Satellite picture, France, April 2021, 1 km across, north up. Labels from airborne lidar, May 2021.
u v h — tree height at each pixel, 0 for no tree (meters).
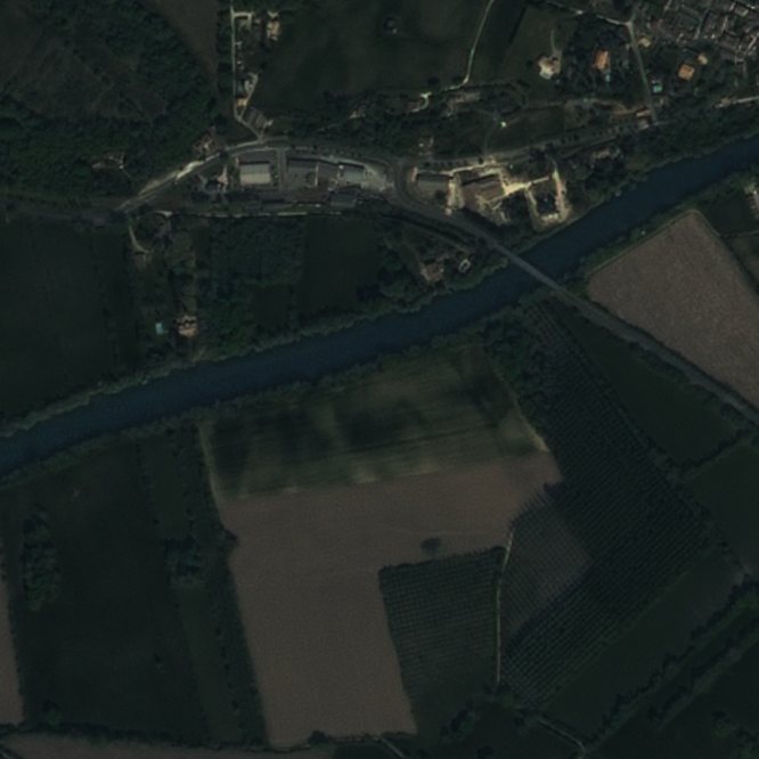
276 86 0
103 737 22
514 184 0
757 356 0
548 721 14
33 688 0
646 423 0
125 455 0
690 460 0
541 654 0
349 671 0
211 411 20
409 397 0
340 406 0
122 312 0
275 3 13
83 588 0
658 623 0
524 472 0
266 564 0
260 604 0
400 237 14
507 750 0
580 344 14
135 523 0
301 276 15
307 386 13
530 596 0
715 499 0
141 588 0
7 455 0
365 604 0
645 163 29
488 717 0
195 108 19
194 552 22
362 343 0
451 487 0
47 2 13
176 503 0
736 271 0
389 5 0
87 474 0
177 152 10
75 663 0
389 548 0
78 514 0
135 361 0
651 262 0
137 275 19
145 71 7
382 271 0
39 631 0
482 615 17
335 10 0
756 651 0
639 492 0
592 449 0
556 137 8
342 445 0
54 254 0
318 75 0
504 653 0
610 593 0
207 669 0
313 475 0
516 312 14
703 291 0
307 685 0
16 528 0
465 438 0
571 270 9
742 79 12
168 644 0
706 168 0
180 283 20
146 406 0
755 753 16
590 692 0
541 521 0
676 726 0
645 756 0
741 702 0
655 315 0
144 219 12
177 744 15
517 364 28
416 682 18
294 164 0
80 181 19
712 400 16
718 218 0
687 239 0
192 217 20
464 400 0
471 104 6
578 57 9
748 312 0
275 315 0
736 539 0
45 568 21
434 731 0
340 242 0
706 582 0
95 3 19
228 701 0
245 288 25
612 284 0
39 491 0
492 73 0
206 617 0
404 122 13
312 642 0
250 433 0
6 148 14
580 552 0
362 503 0
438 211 0
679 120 15
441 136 7
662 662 0
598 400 0
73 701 0
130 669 0
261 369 0
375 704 0
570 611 0
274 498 0
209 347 17
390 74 0
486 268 14
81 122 14
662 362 20
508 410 0
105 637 0
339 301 0
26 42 0
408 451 0
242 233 10
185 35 0
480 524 0
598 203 8
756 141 0
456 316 0
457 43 0
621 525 0
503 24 0
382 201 8
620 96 9
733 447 12
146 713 0
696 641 15
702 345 0
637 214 0
